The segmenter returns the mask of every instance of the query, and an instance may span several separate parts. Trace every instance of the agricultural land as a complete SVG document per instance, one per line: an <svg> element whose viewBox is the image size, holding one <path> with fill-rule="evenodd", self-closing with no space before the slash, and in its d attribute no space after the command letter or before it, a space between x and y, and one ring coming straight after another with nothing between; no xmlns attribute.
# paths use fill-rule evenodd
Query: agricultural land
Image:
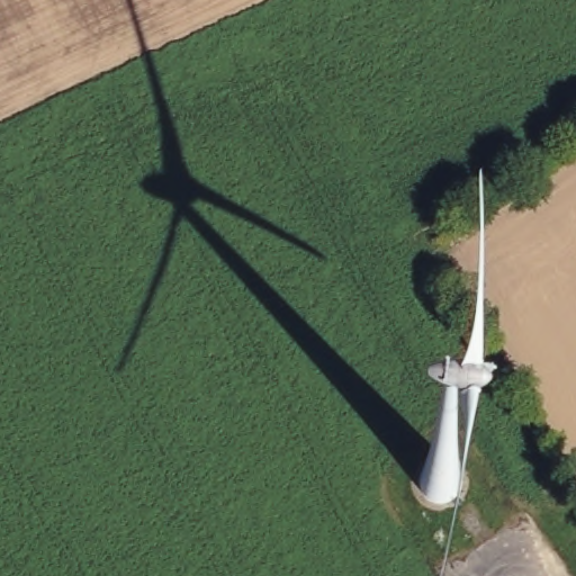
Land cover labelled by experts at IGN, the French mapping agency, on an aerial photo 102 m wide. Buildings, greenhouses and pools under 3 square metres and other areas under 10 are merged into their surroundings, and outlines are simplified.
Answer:
<svg viewBox="0 0 576 576"><path fill-rule="evenodd" d="M419 252L441 254L437 250L437 239L428 239L423 227L437 223L439 200L446 191L464 187L468 180L477 176L484 176L484 180L488 182L506 167L506 151L522 149L529 144L542 146L547 128L567 119L569 113L576 110L576 0L261 0L236 14L223 16L216 23L205 25L182 38L169 41L155 50L142 50L137 56L110 70L104 70L77 86L59 90L0 119L0 576L437 576L412 551L410 540L385 511L380 495L380 464L374 459L371 464L367 464L367 468L358 468L356 461L360 455L367 455L378 441L385 443L385 448L396 459L421 434L419 430L425 423L434 421L441 428L446 403L446 367L455 360L466 358L468 342L459 338L457 331L448 324L441 326L437 320L432 320L425 306L419 302L412 284L412 261Z"/></svg>

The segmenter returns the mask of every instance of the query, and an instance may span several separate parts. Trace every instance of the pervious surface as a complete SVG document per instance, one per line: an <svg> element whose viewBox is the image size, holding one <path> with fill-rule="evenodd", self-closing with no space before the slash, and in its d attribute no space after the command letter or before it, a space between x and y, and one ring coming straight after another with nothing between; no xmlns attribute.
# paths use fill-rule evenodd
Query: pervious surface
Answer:
<svg viewBox="0 0 576 576"><path fill-rule="evenodd" d="M461 495L455 497L446 509L464 522L466 531L473 533L477 547L470 551L466 549L457 558L443 558L439 576L572 576L565 563L540 533L531 513L513 513L504 529L495 533L479 520L475 504L466 495Z"/></svg>

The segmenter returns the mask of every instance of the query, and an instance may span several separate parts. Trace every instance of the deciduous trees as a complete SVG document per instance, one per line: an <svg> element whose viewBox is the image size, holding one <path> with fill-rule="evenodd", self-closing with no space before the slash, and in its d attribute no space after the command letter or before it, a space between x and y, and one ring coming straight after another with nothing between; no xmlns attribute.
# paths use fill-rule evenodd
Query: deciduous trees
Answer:
<svg viewBox="0 0 576 576"><path fill-rule="evenodd" d="M493 223L502 205L509 205L515 212L538 207L540 200L547 200L551 194L551 176L560 167L576 162L576 110L569 113L567 119L547 128L542 146L529 144L522 149L506 151L506 167L488 182L484 180L484 176L477 176L468 180L464 187L446 191L439 200L437 223L441 236L455 236L477 234L479 227Z"/></svg>
<svg viewBox="0 0 576 576"><path fill-rule="evenodd" d="M495 398L504 407L518 407L524 403L533 403L540 396L536 389L533 371L527 367L515 367L515 371L504 378L500 389L495 389Z"/></svg>
<svg viewBox="0 0 576 576"><path fill-rule="evenodd" d="M477 299L464 302L461 308L452 313L448 324L457 331L459 338L468 342L466 358L468 362L475 362L482 356L504 351L500 311L493 306L484 313L484 299Z"/></svg>
<svg viewBox="0 0 576 576"><path fill-rule="evenodd" d="M554 477L558 482L576 477L576 450L565 455L560 466L554 468Z"/></svg>

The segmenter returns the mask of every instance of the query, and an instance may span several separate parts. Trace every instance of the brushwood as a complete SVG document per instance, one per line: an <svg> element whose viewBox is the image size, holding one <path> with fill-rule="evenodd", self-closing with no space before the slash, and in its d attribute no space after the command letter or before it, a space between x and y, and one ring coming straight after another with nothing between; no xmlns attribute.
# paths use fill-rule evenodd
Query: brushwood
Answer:
<svg viewBox="0 0 576 576"><path fill-rule="evenodd" d="M428 239L437 239L437 250L441 254L448 254L450 241L455 236L441 236L437 223L423 227Z"/></svg>

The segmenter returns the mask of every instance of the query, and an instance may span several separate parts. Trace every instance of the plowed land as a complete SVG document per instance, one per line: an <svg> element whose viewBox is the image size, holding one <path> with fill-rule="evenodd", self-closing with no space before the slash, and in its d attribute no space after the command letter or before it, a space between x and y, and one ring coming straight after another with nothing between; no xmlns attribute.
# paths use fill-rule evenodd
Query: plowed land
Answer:
<svg viewBox="0 0 576 576"><path fill-rule="evenodd" d="M223 16L236 14L261 0L0 0L0 119L59 90L77 86L104 70L110 70L137 56L142 50L155 50L169 41L182 38L205 25L216 23Z"/></svg>
<svg viewBox="0 0 576 576"><path fill-rule="evenodd" d="M551 176L551 194L547 200L540 200L538 207L515 212L509 205L502 205L493 223L479 227L477 234L455 236L450 241L448 254L461 266L464 284L468 290L477 295L477 299L484 299L484 313L493 306L500 311L504 351L515 367L527 367L533 371L536 389L540 396L547 425L565 437L565 455L576 450L576 162L560 167Z"/></svg>

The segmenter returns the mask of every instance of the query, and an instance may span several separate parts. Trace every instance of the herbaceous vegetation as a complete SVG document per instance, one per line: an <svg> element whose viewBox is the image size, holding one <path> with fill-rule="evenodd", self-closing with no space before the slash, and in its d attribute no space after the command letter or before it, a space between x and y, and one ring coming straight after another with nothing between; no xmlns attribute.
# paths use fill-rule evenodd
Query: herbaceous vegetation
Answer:
<svg viewBox="0 0 576 576"><path fill-rule="evenodd" d="M470 551L477 547L473 533L466 531L464 522L446 509L455 497L461 495L466 495L475 504L479 520L495 533L504 529L513 513L531 513L540 533L565 563L572 576L576 576L576 477L558 482L554 477L554 468L560 466L565 455L565 437L547 425L540 396L533 403L524 403L518 407L504 407L495 398L495 389L500 389L504 378L515 371L515 367L504 351L482 356L475 362L468 362L466 358L455 360L446 367L446 403L441 428L434 421L425 423L419 430L421 434L396 459L385 448L385 443L378 441L367 455L360 455L356 461L358 468L367 468L367 464L371 464L374 459L380 464L380 495L385 511L410 540L412 551L437 576L439 576L443 558L457 558L466 549Z"/></svg>

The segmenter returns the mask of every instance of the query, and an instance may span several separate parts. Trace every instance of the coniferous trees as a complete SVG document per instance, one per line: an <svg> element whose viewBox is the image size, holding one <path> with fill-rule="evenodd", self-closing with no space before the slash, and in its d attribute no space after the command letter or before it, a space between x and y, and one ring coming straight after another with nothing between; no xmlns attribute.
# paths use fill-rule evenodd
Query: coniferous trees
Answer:
<svg viewBox="0 0 576 576"><path fill-rule="evenodd" d="M441 254L419 252L412 261L412 284L419 302L425 306L432 320L437 320L441 326L448 324L452 313L461 308L464 302L477 299L477 295L468 290L464 284L461 266L448 254Z"/></svg>

